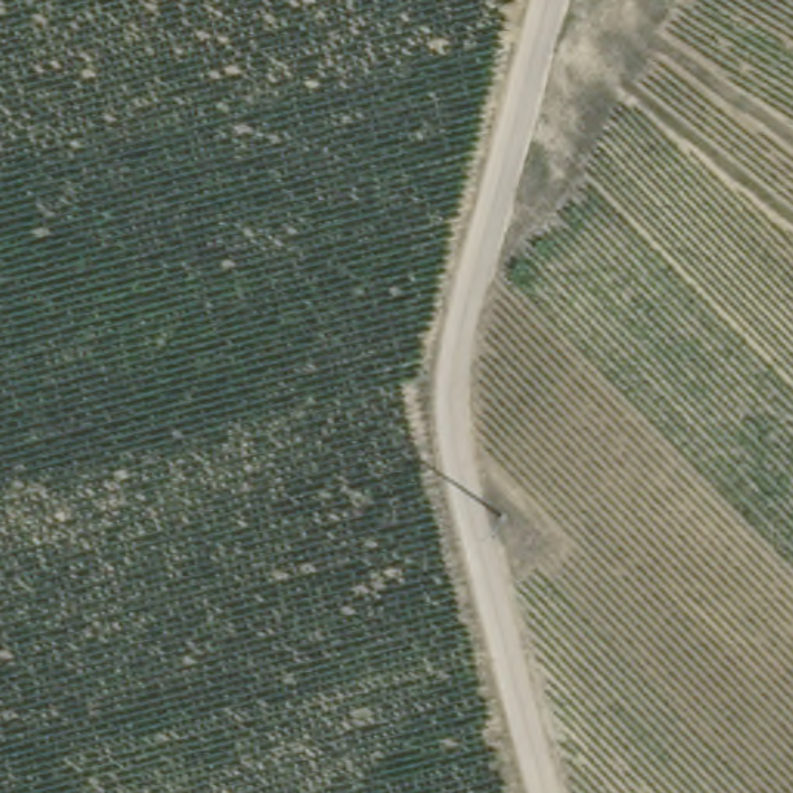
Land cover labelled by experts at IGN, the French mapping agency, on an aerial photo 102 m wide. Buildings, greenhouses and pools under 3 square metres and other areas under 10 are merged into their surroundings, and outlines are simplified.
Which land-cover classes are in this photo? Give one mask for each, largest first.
<instances>
[{"label":"vineyard","instance_id":"1","mask_svg":"<svg viewBox=\"0 0 793 793\"><path fill-rule=\"evenodd\" d=\"M511 0H0V793H527L508 716L493 675V660L483 641L471 576L465 567V551L446 496V474L440 468L434 418V378L449 310L446 291L452 288V276L443 269L449 254V229L468 180L471 152L477 146L480 112L493 84L496 50L505 28L502 12ZM657 37L663 43L678 46L681 53L675 62L666 53H654L647 56L644 68L635 71L632 96L638 99V105L623 108L613 136L604 142V155L598 161L592 186H585V198L579 204H564L561 226L533 235L517 257H508L502 263V269L486 285L471 359L474 462L483 489L480 505L489 514L493 536L505 548L508 579L517 598L514 613L524 620V660H536L548 669L545 700L551 703L554 719L564 725V753L558 778L564 781L567 793H793V0H694L691 6H685V12L669 3V12L657 25Z\"/></svg>","mask_w":793,"mask_h":793},{"label":"pervious surface","instance_id":"2","mask_svg":"<svg viewBox=\"0 0 793 793\"><path fill-rule=\"evenodd\" d=\"M570 0H511L502 12L505 28L496 50L493 84L480 112L477 146L471 152L468 180L449 229V254L443 269L452 276V288L446 291L449 310L434 378V418L440 468L446 474V496L465 551V567L471 576L483 641L493 660V675L508 716L527 793H567L564 781L558 778L564 753V725L554 719L551 703L545 700L548 669L536 660H524V620L514 613L517 598L508 579L505 548L493 536L489 514L480 505L483 489L474 462L471 359L486 285L502 269V263L505 232L514 220V192L527 164L533 124L539 121L551 71V43L567 15Z\"/></svg>","mask_w":793,"mask_h":793},{"label":"herbaceous vegetation","instance_id":"3","mask_svg":"<svg viewBox=\"0 0 793 793\"><path fill-rule=\"evenodd\" d=\"M669 3L685 12V6H691L694 0H570L567 15L551 43V71L539 121L533 124L527 164L514 192V220L505 232L502 263L508 257H517L533 235L561 226L564 204H579L585 198V186H592L598 161L604 155V142L613 136L623 108L638 105V99L632 96L635 71L644 68L647 56L654 53H666L675 62L681 53L678 46L663 43L657 37V25L669 12Z\"/></svg>","mask_w":793,"mask_h":793}]
</instances>
